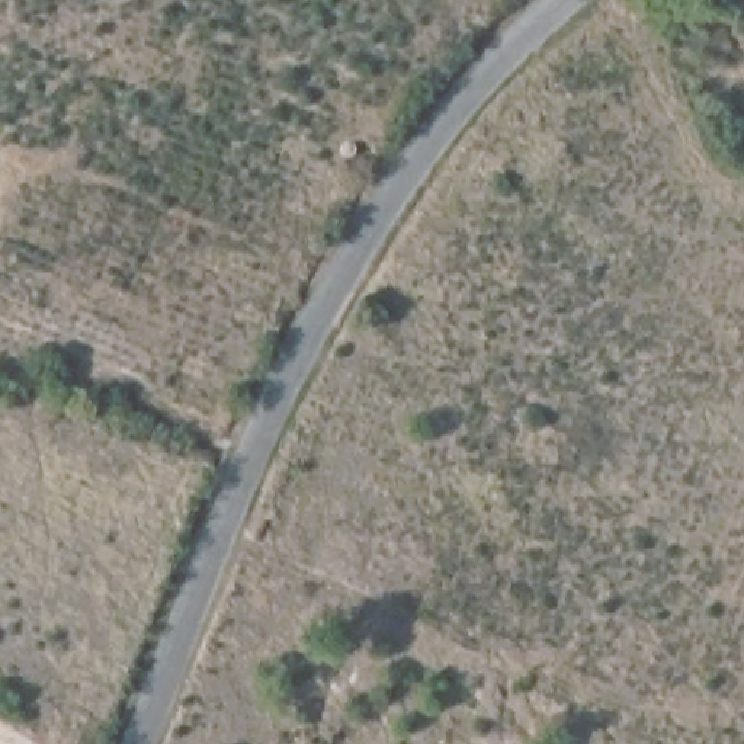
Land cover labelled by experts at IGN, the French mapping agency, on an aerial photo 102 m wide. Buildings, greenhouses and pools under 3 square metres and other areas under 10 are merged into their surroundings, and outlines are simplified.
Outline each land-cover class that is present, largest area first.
<instances>
[{"label":"herbaceous vegetation","instance_id":"1","mask_svg":"<svg viewBox=\"0 0 744 744\"><path fill-rule=\"evenodd\" d=\"M125 6V0H99L96 12H87L84 3H64L58 6L55 23L32 26L17 17L15 0H0V55L12 52V32L35 49L52 41L55 49L67 52V58H90L99 49H110V58H105L93 73L105 78H122L140 90L148 84V78L189 87L198 81L203 64V49L189 44L195 35L192 23H183L180 35L166 52L148 47V17L142 12L122 20L110 35H96V26L105 20L110 23ZM500 0H448V6L456 15L459 32H474L485 26L491 20V9ZM642 0H581V9L558 32H552L532 55L523 58L520 67H514L500 84L491 87L485 102L474 108L468 122L459 125L453 140L436 157L433 169L421 174V186L384 235V244L372 256L369 267H360L352 291L337 308L331 320V334L305 360L308 375L302 387L294 398H279L288 407V416L282 421V430H276L273 436L270 465L264 471L256 512L250 514L244 529L233 532L227 543L203 619L198 625L195 645L183 663L177 689L171 695L160 744H744V174L735 171L729 177L718 171V166L706 157L700 137L692 125V113L674 90V67L668 61L671 44L660 32L645 26ZM712 78H724L732 87L744 84V58L735 67L718 61L709 67ZM35 177L96 183L119 192L128 180L81 169L78 157L64 145L17 148L0 140V198L17 195L20 183H29ZM209 471V462L198 456H166L151 442H125L122 436L108 433L96 416V404L87 398L81 387L73 392L70 404L35 398V404L29 407H9L6 401H0V683L17 695L20 712L12 724L0 721V744H78L84 724L102 727L105 721H110V712L119 700L122 683L128 680L151 613L157 607L160 587L171 570L177 538L189 517V500L203 482V474ZM171 416L192 421L212 436V442L221 448L227 459H233L247 448L250 439V424L244 421L235 427V436H227V407H218L209 416L192 404L174 401L169 410Z\"/></svg>","mask_w":744,"mask_h":744},{"label":"brushwood","instance_id":"2","mask_svg":"<svg viewBox=\"0 0 744 744\"><path fill-rule=\"evenodd\" d=\"M64 3H84L87 12H96L99 0H15L17 17L32 26L55 23L58 6ZM142 12L148 17V47L166 52L180 35L183 23H192L195 35L189 44L203 49V64L198 81L189 87L148 78V84L140 90L122 78H105L93 73L105 58H110V49H99L90 58H67V52L55 49L52 41L35 49L12 32V52L0 55V140L17 148L64 145L78 157L81 169L128 180L119 192L96 183L35 177L29 183H20L17 195L0 198V355L20 357L26 355V349H38L44 343H84L93 349V378L137 381L154 407L169 410L174 401L192 404L209 416L218 407H227V436H235V427L244 421L259 407L267 372H279L296 355L302 331L294 326V320L311 296L320 267L331 259L334 247L355 241L366 224H372L375 206L360 203V198L375 183L372 166L384 148L387 122L401 108L410 81H416L427 70L450 76L459 67V61H465L474 52V32H459L456 15L448 6V0H125V6L110 23L105 20L96 26V35H110L122 20ZM535 0H500L491 9V20L485 26L497 38L514 15H520ZM186 436L192 439L198 456L209 462V471L203 474V482L189 500V517L177 538L171 570L160 587L157 607L151 613L128 680L122 683L119 700L134 706L137 695L148 683V674L154 668V648L169 625L171 602L177 599L183 581L192 578L198 543L209 532V512L224 488L238 485L241 471L233 459H227L221 448L212 442V436L192 421L186 427ZM20 712L17 695L0 683V721L12 724ZM116 724L110 721H105L102 727L84 724L78 744H110Z\"/></svg>","mask_w":744,"mask_h":744},{"label":"impervious surface","instance_id":"3","mask_svg":"<svg viewBox=\"0 0 744 744\"><path fill-rule=\"evenodd\" d=\"M581 9V0H535L520 15H514L497 38V44L488 47L482 58L471 67L465 87L433 119L430 131L416 137L404 148L401 166L389 177L375 183L360 198V203L375 206L372 224H366L355 241L334 247L331 259L320 267L311 296L294 320V326L302 331L296 355L279 372H267L259 407L244 421L250 424V439L247 448L233 459L241 471L238 485L224 488L209 512V532L198 543L192 578L183 581L177 599L171 602L169 625L154 648V668L148 674V683L137 695L134 706L119 700L110 712V721L116 724L110 744H160L171 695L177 689L183 663L195 645L198 625L203 619L227 543L233 532L244 529L250 514L256 512L264 471L270 465L273 436L276 430H282V421L288 416V407L279 398H294L302 387L308 375L305 360L331 334V320L337 308L352 291L360 267H369L372 256L384 244V235L421 186V174L433 169L436 157L453 140L459 125L468 122L474 108L485 102L491 87L500 84L514 67H520L523 58L532 55L552 32H558Z\"/></svg>","mask_w":744,"mask_h":744},{"label":"deciduous trees","instance_id":"4","mask_svg":"<svg viewBox=\"0 0 744 744\"><path fill-rule=\"evenodd\" d=\"M645 26L660 32L671 44L668 61L674 67V90L692 113V125L700 137L706 157L718 166V171L729 177L735 171L744 174V84L732 87L724 78H712L709 67L718 61L735 67L744 58V0H642ZM497 44V38L485 26L474 32V52L465 61H459V67L450 76L427 70L416 81H410L401 108L387 122L384 148L372 166L375 183L389 177L401 166L404 148L416 137L430 131L433 119L465 87L471 67L482 58L488 47ZM93 349L84 343H44L38 349H26V355L20 357L0 355V401H6L9 407H29L35 404V398L70 404L73 392L81 387L87 398L96 404V416L108 433L122 436L125 442H151L166 456H198L192 439L186 436V427L192 421L171 416L169 410L154 407L137 381L93 378Z\"/></svg>","mask_w":744,"mask_h":744}]
</instances>
